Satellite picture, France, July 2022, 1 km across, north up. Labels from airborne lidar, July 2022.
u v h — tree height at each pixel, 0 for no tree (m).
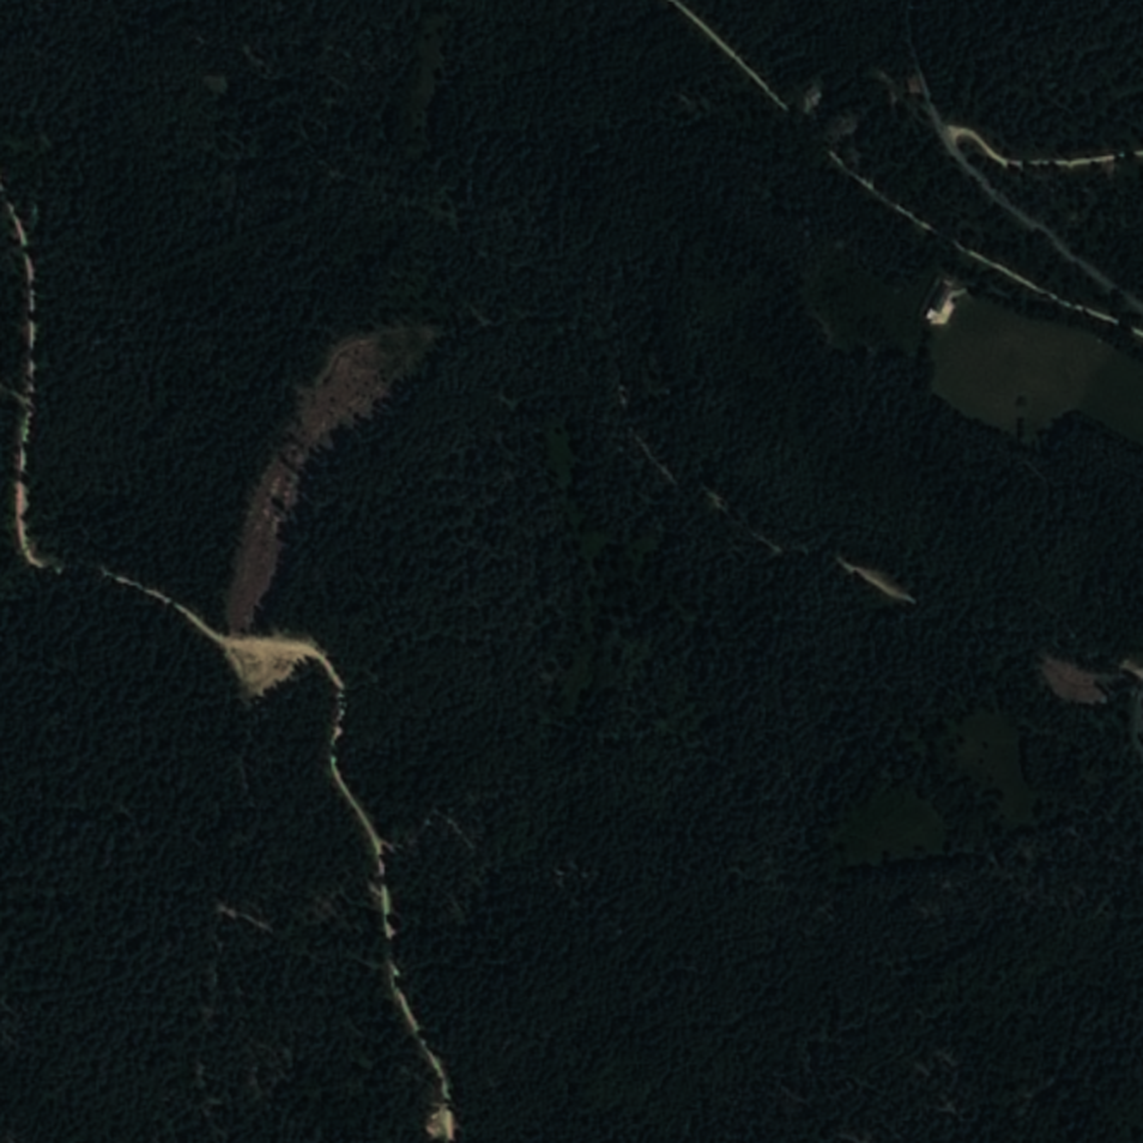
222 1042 20
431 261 17
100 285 23
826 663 22
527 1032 25
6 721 21
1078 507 25
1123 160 15
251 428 15
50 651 21
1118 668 22
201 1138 20
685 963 27
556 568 29
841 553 22
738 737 25
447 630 20
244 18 29
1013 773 0
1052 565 22
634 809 19
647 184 25
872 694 18
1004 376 0
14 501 8
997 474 11
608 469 21
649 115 23
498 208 22
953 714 9
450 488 23
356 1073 25
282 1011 18
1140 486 23
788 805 24
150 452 26
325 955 21
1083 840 18
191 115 35
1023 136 15
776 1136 26
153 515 20
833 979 22
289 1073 23
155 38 29
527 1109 22
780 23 17
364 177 25
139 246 41
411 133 9
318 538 22
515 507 28
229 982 22
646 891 25
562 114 19
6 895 21
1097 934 11
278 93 24
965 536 19
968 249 14
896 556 23
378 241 7
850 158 17
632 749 23
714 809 22
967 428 24
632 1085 21
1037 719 19
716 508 6
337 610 18
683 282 19
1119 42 16
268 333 26
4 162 11
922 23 22
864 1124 24
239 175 30
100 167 29
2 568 19
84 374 25
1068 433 27
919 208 16
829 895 26
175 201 43
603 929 27
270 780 23
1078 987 24
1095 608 23
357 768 27
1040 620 22
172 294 17
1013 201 12
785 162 30
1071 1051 21
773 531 27
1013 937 18
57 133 23
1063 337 0
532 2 13
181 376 20
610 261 18
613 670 14
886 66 24
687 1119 22
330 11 25
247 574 0
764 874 20
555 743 22
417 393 22
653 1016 23
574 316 19
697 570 25
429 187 19
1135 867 22
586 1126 30
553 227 26
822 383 28
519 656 23
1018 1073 13
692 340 17
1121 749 22
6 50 25
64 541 27
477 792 24
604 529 24
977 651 24
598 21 16
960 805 16
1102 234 10
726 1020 25
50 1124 15
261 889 27
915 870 26
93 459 17
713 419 23
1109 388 0
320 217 19
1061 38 10
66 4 25
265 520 0
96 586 24
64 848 24
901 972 14
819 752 24
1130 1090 26
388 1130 15
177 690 31
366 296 22
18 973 20
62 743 24
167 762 23
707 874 16
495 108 14
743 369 9
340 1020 21
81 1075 18
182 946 27
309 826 27
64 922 25
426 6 16
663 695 22
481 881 21
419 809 28
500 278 20
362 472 24
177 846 20
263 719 17
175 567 20
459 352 20
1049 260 8
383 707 16
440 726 23
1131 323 17
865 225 25
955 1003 16
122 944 16
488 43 17
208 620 17
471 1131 22
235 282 14
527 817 18
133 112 34
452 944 25
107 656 21
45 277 24
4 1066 19
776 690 23
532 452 27
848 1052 23
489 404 25
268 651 0
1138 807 23
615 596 16
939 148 14
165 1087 23
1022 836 16
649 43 25
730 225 23
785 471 21
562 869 6
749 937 23
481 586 23
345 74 16
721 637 27
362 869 24
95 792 20
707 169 28
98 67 26
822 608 24
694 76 26
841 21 18
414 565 20
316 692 19
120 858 26
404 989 23
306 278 27
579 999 24
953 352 0
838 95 18
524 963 25
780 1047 23
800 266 33
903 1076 25
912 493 14
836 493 18
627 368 25
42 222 12
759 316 15
